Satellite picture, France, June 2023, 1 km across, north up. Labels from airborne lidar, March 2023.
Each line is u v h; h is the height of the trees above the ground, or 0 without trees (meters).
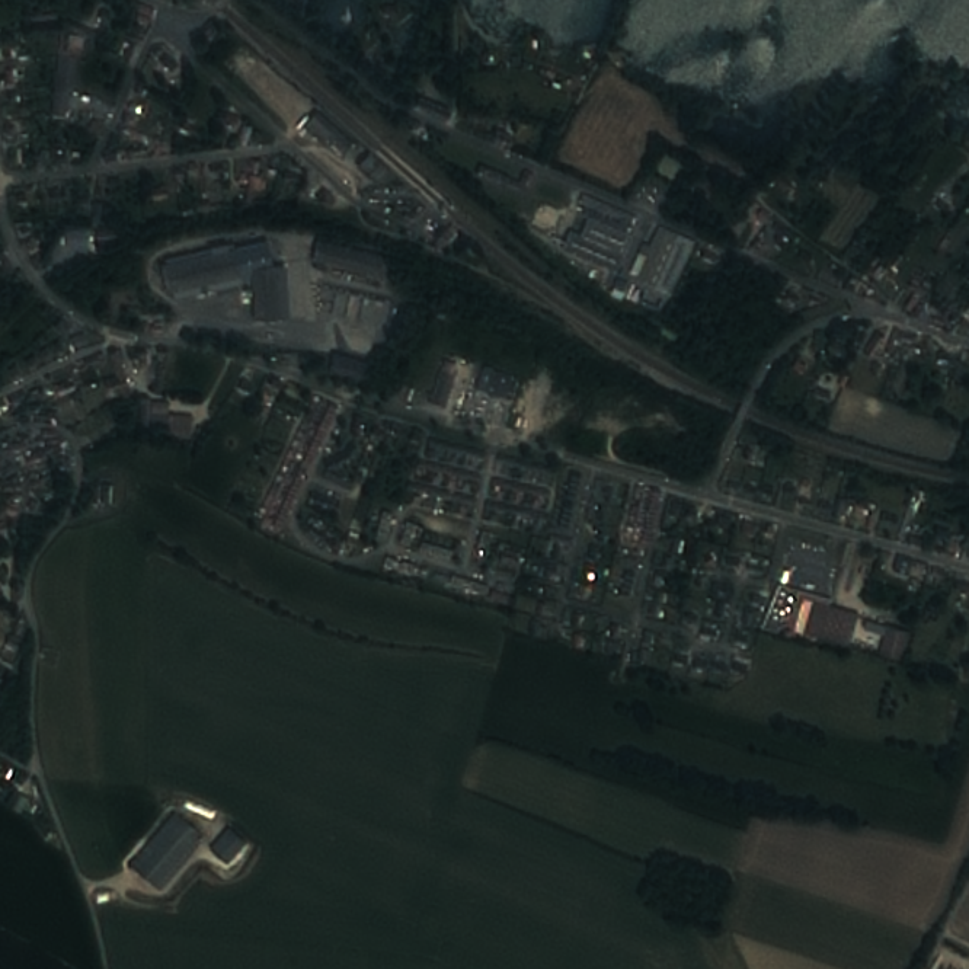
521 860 0
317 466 0
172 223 7
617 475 0
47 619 0
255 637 0
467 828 0
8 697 6
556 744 0
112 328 0
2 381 7
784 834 0
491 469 0
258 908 0
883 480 6
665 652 0
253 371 0
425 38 18
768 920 0
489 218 0
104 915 0
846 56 0
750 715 0
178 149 12
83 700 0
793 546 0
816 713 0
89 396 0
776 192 0
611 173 0
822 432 6
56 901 0
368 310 0
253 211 13
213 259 0
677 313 19
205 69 0
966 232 0
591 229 0
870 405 0
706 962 0
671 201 12
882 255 11
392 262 12
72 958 0
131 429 8
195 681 0
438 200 0
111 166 0
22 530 14
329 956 0
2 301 16
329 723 0
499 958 0
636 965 0
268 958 0
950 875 0
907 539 0
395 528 0
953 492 12
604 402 0
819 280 0
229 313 0
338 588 0
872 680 0
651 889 15
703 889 19
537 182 0
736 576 0
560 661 0
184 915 0
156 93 8
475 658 0
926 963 16
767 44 0
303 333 0
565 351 9
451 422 0
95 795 0
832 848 0
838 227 0
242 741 0
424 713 0
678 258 0
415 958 0
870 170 31
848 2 0
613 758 10
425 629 0
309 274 0
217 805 0
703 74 0
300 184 10
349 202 0
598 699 0
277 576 0
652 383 10
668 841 0
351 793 0
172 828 0
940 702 0
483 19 0
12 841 0
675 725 0
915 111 19
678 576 12
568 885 0
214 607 0
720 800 13
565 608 0
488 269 0
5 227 0
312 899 0
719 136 17
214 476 0
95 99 0
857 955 0
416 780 0
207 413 0
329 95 0
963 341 0
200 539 0
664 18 0
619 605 0
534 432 0
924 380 8
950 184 0
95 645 0
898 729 0
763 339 14
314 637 0
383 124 0
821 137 19
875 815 0
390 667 0
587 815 0
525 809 0
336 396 0
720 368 12
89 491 10
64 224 11
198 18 0
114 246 11
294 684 0
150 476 0
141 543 0
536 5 0
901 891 0
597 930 0
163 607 0
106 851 0
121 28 11
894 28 0
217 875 0
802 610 0
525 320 6
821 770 0
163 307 9
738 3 0
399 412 0
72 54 0
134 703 0
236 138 8
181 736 0
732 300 22
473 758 0
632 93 0
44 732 0
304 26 17
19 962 0
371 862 0
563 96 0
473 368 0
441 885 0
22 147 0
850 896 0
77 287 14
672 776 19
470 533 0
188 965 0
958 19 0
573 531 0
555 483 0
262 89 0
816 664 0
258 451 12
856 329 18
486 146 0
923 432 0
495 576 0
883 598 8
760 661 0
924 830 0
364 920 0
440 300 12
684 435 10
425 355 0
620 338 0
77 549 0
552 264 10
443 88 15
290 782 0
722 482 0
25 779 8
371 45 0
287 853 0
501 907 0
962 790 0
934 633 0
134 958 0
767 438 10
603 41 8
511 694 0
